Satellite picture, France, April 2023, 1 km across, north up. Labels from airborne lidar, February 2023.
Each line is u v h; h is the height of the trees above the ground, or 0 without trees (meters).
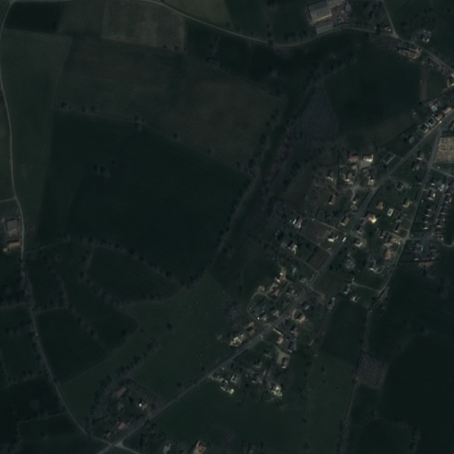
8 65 0
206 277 0
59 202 0
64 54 0
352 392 0
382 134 0
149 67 0
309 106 15
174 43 0
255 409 0
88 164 0
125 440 0
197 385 12
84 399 0
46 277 0
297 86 0
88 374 0
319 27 0
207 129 0
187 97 0
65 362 0
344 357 0
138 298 0
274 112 0
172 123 0
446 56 0
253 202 0
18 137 0
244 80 0
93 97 0
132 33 0
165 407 0
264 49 0
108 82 0
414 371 0
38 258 0
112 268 0
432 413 0
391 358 0
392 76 0
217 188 0
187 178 0
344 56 0
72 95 0
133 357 0
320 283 0
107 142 0
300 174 16
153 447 0
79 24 0
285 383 15
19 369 0
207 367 0
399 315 0
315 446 0
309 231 0
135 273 0
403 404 0
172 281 17
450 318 0
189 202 0
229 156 0
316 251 10
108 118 0
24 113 0
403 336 0
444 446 0
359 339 0
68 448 0
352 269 0
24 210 0
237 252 0
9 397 0
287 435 0
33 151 0
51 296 0
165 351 0
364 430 0
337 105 0
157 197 0
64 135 0
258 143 0
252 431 0
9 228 0
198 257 0
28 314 0
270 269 0
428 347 0
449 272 0
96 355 0
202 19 0
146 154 0
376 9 18
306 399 0
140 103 0
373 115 0
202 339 0
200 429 0
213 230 0
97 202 0
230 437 0
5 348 0
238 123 0
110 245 14
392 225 0
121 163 0
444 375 0
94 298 0
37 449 0
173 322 0
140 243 0
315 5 0
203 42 0
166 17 0
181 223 0
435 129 0
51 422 0
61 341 0
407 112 0
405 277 0
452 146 0
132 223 0
